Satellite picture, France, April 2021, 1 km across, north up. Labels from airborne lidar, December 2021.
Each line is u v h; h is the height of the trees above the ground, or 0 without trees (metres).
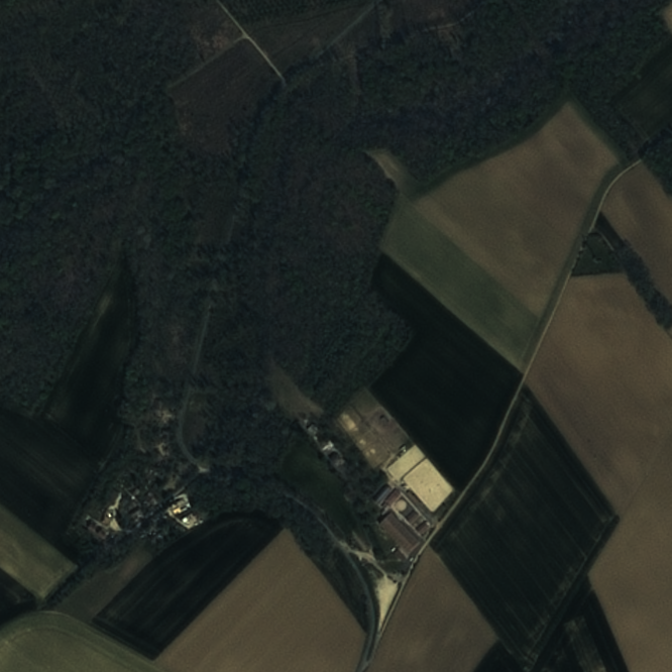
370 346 17
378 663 0
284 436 20
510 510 0
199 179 20
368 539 0
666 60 0
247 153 15
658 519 0
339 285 17
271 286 25
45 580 0
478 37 31
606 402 0
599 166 0
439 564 0
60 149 31
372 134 16
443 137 19
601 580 0
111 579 0
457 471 0
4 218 26
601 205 0
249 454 20
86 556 0
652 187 0
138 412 16
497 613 0
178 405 20
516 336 0
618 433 0
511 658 0
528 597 0
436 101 16
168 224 19
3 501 0
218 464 9
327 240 19
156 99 16
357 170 18
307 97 19
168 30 12
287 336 17
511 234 0
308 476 0
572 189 0
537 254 0
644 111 0
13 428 0
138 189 23
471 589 0
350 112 16
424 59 29
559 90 11
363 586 0
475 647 0
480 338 0
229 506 19
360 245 16
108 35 30
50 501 0
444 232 0
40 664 0
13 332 19
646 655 0
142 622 0
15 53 27
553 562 0
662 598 0
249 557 0
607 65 18
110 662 0
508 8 24
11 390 17
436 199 0
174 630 0
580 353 0
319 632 0
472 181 0
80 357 0
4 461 0
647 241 0
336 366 15
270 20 22
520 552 0
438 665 0
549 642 0
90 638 0
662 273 0
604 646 0
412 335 14
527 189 0
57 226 18
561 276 0
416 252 0
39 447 0
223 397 23
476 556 0
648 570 0
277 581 0
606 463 0
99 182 17
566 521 0
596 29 25
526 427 0
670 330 15
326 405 7
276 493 21
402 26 0
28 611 0
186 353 19
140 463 6
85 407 0
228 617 0
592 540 0
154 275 20
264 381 14
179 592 0
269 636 0
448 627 0
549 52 23
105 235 20
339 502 0
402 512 0
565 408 0
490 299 0
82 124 33
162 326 21
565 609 0
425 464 0
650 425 0
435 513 0
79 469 0
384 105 16
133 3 22
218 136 0
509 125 15
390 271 0
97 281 20
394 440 0
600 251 0
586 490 0
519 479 0
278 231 16
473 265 0
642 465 0
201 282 26
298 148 21
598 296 0
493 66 21
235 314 26
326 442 15
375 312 18
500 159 0
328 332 18
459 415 0
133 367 18
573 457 0
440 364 0
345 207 15
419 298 0
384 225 13
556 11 18
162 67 21
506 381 0
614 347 0
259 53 0
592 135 0
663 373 0
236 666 0
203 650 0
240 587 0
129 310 0
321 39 0
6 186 22
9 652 0
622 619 0
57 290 23
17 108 17
